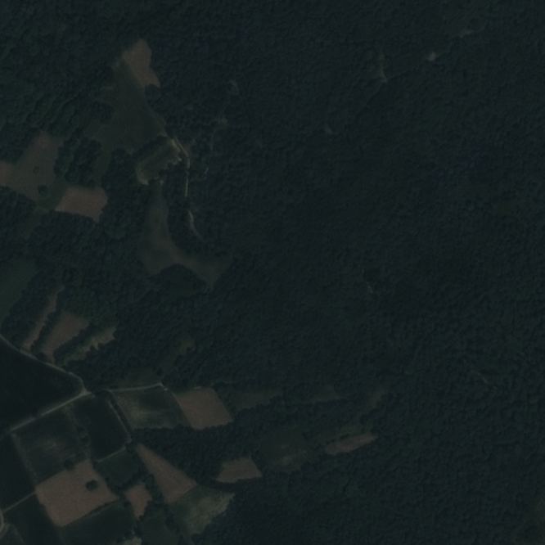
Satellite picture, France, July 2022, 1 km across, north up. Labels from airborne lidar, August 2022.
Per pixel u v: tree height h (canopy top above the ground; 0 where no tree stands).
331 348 23
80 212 0
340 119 27
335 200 17
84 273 11
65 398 0
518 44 15
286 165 16
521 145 31
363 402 16
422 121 25
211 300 26
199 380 18
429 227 15
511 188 13
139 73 0
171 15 29
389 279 19
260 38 26
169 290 16
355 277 28
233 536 28
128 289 23
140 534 30
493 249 21
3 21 26
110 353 20
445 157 25
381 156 19
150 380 0
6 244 23
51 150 0
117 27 19
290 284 23
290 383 22
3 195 19
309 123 19
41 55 23
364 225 25
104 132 0
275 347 29
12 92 32
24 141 25
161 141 19
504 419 30
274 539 27
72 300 30
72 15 11
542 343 11
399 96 25
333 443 7
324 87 21
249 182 8
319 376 22
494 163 29
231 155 15
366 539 11
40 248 25
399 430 30
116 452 0
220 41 31
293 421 25
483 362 25
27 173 0
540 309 8
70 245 8
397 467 23
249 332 26
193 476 16
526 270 27
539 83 21
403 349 10
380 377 22
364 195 19
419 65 18
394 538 8
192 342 0
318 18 26
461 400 31
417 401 32
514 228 23
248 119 20
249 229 27
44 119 20
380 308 23
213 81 21
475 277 12
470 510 28
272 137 14
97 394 13
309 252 19
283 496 29
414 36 31
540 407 27
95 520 0
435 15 23
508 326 27
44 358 15
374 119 31
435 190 21
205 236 19
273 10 29
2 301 0
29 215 23
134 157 12
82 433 19
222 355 17
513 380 7
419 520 19
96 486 13
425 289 22
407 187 22
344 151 26
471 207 19
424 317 26
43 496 0
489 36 23
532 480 28
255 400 0
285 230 24
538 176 20
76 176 29
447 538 26
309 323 25
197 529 0
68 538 0
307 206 19
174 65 23
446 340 20
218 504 0
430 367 27
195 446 18
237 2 22
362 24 22
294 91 14
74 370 18
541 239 16
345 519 9
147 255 0
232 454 23
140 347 23
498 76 30
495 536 28
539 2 23
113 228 28
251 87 16
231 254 26
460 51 22
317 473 24
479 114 11
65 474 0
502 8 22
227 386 21
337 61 24
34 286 24
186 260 0
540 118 30
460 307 21
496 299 24
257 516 27
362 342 27
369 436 0
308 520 20
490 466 28
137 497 0
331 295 21
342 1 29
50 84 29
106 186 22
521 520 27
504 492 28
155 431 13
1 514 0
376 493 13
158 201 0
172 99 28
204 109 21
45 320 0
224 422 0
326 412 26
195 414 0
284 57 16
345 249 22
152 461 0
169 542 0
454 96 30
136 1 29
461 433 27
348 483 18
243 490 23
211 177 21
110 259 32
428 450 26
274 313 28
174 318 24
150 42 13
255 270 21
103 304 29
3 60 27
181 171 22
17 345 11
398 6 17
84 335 24
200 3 24
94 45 26
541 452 27
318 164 23
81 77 15
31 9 32
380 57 10
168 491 0
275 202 22
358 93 27
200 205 23
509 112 24
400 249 23
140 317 19
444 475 31
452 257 15
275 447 0
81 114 25
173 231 13
